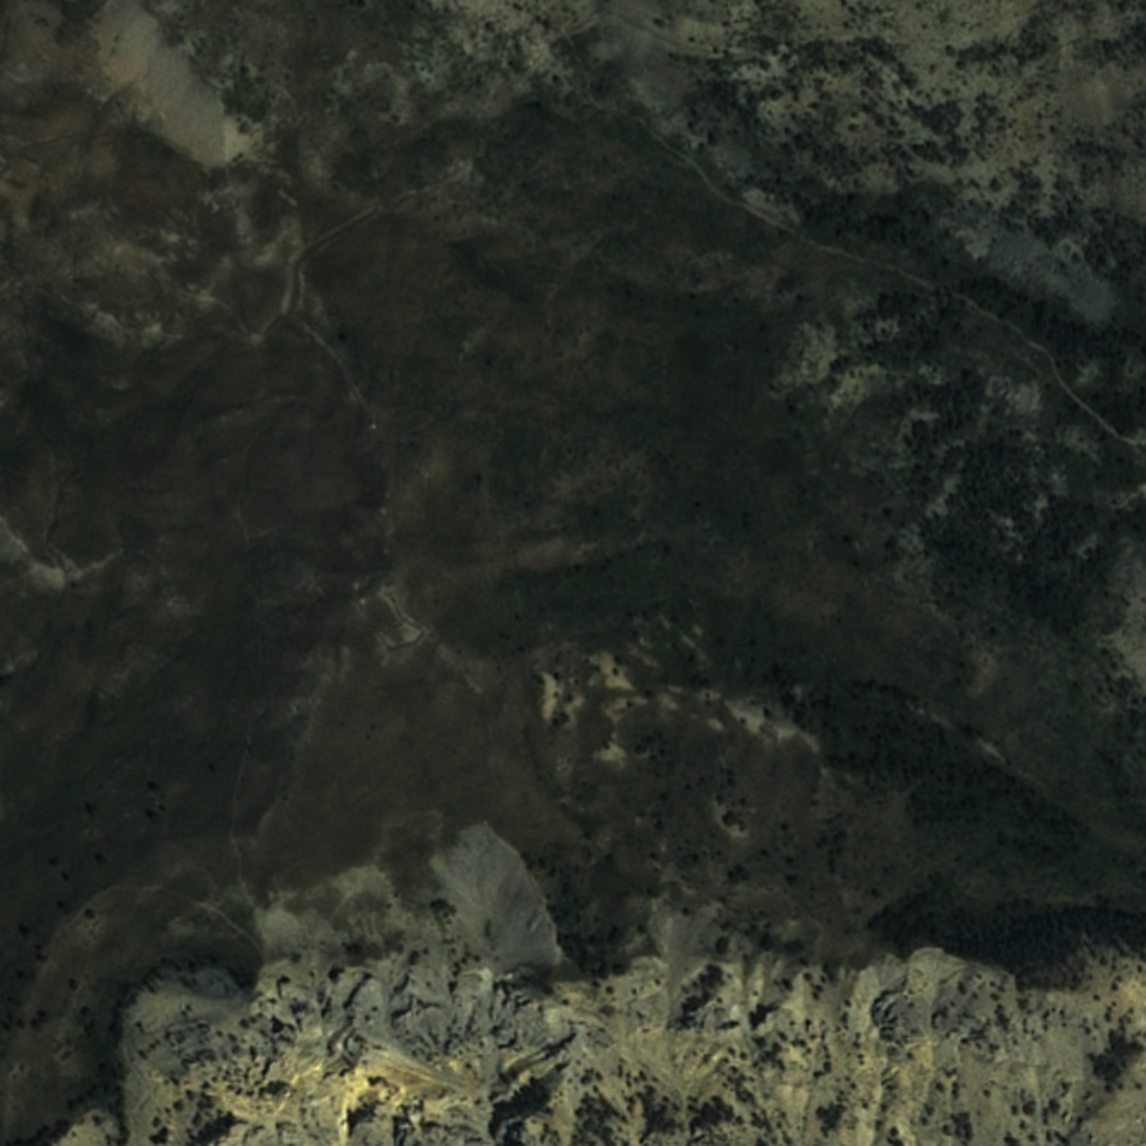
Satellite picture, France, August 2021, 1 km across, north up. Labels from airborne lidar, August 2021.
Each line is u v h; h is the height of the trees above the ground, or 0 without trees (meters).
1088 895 0
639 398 0
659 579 0
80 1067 0
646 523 0
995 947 5
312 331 0
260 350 0
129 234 0
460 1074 0
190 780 0
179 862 0
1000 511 8
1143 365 0
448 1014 0
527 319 0
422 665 0
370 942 0
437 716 0
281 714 0
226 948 0
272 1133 0
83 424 0
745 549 0
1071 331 10
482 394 0
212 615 0
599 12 0
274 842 0
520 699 0
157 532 0
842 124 0
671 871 0
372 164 0
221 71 0
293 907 0
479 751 0
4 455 0
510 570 0
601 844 0
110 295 0
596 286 0
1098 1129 0
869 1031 0
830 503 0
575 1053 0
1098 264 6
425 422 0
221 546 0
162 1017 0
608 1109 9
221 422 0
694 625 0
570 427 0
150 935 0
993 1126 0
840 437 0
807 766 0
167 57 0
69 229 0
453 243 0
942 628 0
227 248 0
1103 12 0
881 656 0
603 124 0
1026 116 0
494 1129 0
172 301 0
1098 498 0
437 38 0
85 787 0
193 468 0
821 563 0
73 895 0
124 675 0
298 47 0
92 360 0
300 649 0
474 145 0
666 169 0
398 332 0
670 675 0
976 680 0
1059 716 0
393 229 0
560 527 0
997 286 10
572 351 0
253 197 0
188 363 0
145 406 0
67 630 0
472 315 0
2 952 0
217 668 0
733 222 0
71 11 0
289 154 0
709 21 0
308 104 0
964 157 7
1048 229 8
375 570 0
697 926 0
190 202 0
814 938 0
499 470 0
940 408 9
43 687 0
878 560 0
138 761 0
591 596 0
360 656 0
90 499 0
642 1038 0
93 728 0
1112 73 0
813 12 0
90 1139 0
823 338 0
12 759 0
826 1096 0
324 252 0
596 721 0
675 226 0
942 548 8
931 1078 0
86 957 0
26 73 0
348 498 0
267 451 0
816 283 0
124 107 0
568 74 0
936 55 0
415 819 0
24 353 0
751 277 0
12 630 0
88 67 0
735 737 0
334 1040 0
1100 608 0
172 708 0
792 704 10
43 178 0
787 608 0
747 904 0
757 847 0
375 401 0
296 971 0
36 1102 0
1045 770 0
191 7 0
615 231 0
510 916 0
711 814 0
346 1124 0
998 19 0
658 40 0
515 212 0
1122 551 0
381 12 0
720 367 0
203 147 0
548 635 0
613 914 0
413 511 0
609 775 0
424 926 0
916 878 0
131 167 0
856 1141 0
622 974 11
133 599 0
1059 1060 0
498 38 0
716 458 0
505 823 0
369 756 0
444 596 0
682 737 0
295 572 0
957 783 9
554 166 0
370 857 0
